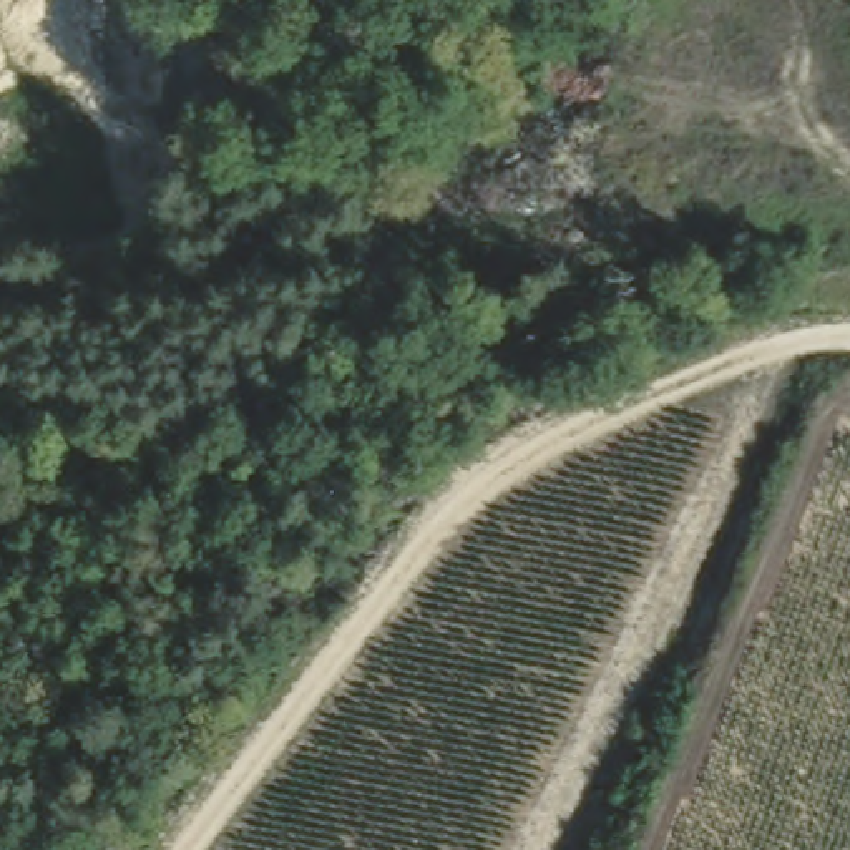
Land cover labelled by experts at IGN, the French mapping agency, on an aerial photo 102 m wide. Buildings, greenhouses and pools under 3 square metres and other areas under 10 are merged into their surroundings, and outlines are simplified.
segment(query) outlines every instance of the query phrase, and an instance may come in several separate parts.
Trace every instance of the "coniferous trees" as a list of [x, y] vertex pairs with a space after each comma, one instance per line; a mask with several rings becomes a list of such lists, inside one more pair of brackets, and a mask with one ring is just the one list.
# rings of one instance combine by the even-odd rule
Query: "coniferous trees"
[[179, 418], [186, 408], [203, 405], [209, 398], [222, 398], [232, 388], [232, 352], [279, 355], [279, 339], [292, 315], [312, 319], [312, 309], [319, 305], [322, 292], [342, 292], [362, 279], [362, 269], [342, 272], [339, 266], [332, 266], [332, 256], [325, 249], [329, 236], [369, 232], [379, 219], [372, 209], [362, 209], [362, 199], [352, 199], [352, 193], [329, 193], [319, 183], [299, 193], [292, 183], [249, 183], [232, 193], [216, 193], [203, 166], [189, 163], [186, 153], [166, 156], [153, 179], [143, 186], [136, 213], [120, 236], [110, 236], [90, 216], [73, 216], [63, 232], [37, 236], [43, 249], [33, 262], [13, 256], [0, 266], [0, 438], [37, 438], [43, 415], [56, 418], [60, 435], [83, 432], [86, 415], [96, 408], [106, 412], [103, 432], [116, 432], [116, 425], [126, 422], [139, 422], [146, 412], [156, 412], [159, 422]]
[[239, 638], [239, 631], [246, 631], [272, 604], [272, 598], [286, 598], [286, 591], [309, 594], [315, 588], [315, 561], [299, 554], [299, 561], [286, 568], [272, 568], [269, 578], [246, 578], [246, 591], [236, 598], [236, 611], [226, 628], [229, 638]]
[[96, 724], [80, 730], [80, 744], [90, 754], [103, 754], [116, 740], [123, 714], [106, 711]]
[[169, 558], [169, 545], [189, 541], [189, 531], [196, 525], [193, 491], [176, 495], [169, 488], [166, 495], [143, 498], [133, 508], [123, 508], [120, 515], [110, 515], [103, 525], [106, 541], [90, 551], [90, 568], [100, 568], [103, 574], [100, 581], [120, 588], [120, 598], [113, 604], [123, 614], [123, 628], [110, 634], [116, 638], [116, 651], [126, 657], [129, 671], [149, 671], [166, 664], [169, 638], [163, 631], [163, 621], [169, 621], [169, 604], [149, 598], [159, 588], [159, 581], [176, 581], [179, 568]]

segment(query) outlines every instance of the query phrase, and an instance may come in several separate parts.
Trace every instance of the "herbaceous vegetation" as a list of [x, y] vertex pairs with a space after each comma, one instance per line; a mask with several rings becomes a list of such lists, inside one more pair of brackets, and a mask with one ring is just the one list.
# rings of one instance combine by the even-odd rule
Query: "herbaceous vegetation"
[[684, 0], [684, 23], [671, 30], [647, 27], [641, 33], [628, 33], [628, 27], [618, 23], [601, 53], [581, 53], [574, 66], [561, 66], [551, 73], [551, 110], [525, 113], [518, 120], [518, 133], [501, 146], [468, 146], [462, 153], [455, 173], [432, 189], [428, 209], [438, 216], [438, 226], [445, 232], [438, 239], [438, 256], [458, 269], [468, 269], [475, 276], [475, 286], [488, 289], [498, 299], [515, 299], [521, 292], [525, 276], [541, 276], [554, 266], [568, 269], [568, 282], [548, 292], [528, 322], [508, 319], [505, 335], [485, 345], [491, 362], [498, 362], [505, 388], [518, 382], [541, 382], [545, 375], [568, 365], [594, 365], [601, 355], [614, 352], [618, 342], [611, 332], [604, 332], [604, 315], [614, 305], [628, 302], [647, 305], [654, 299], [651, 266], [687, 266], [694, 252], [707, 252], [721, 266], [724, 296], [747, 292], [750, 299], [767, 302], [774, 292], [774, 269], [784, 266], [787, 249], [804, 249], [807, 242], [820, 249], [823, 262], [813, 289], [774, 305], [774, 315], [767, 322], [777, 332], [827, 322], [850, 325], [850, 0]]
[[17, 60], [3, 63], [17, 83], [0, 93], [0, 209], [23, 213], [27, 232], [37, 236], [63, 232], [73, 216], [90, 216], [110, 236], [120, 236], [136, 213], [143, 186], [153, 179], [166, 156], [163, 133], [146, 123], [146, 116], [156, 110], [169, 110], [163, 103], [166, 50], [153, 46], [149, 33], [133, 30], [136, 13], [126, 7], [126, 0], [106, 0], [103, 27], [90, 33], [90, 66], [80, 73], [93, 83], [100, 110], [86, 113], [63, 86], [50, 83], [46, 76], [27, 73]]
[[574, 813], [581, 800], [598, 750], [614, 734], [614, 711], [624, 697], [624, 687], [641, 677], [644, 664], [657, 651], [664, 651], [671, 631], [684, 618], [697, 568], [711, 548], [714, 531], [724, 521], [724, 511], [737, 485], [737, 458], [744, 455], [744, 445], [754, 438], [757, 422], [764, 422], [774, 412], [777, 392], [810, 415], [813, 402], [823, 392], [830, 392], [833, 382], [843, 382], [850, 388], [850, 349], [807, 352], [790, 359], [787, 365], [750, 369], [681, 402], [687, 412], [707, 418], [707, 435], [701, 438], [701, 452], [684, 478], [681, 508], [667, 518], [667, 525], [657, 525], [638, 591], [628, 598], [624, 611], [608, 624], [608, 634], [581, 631], [581, 641], [598, 647], [598, 661], [591, 661], [584, 674], [588, 694], [578, 694], [571, 701], [571, 714], [558, 727], [554, 744], [535, 754], [538, 777], [515, 807], [515, 830], [505, 837], [498, 850], [551, 850], [561, 833], [561, 820]]

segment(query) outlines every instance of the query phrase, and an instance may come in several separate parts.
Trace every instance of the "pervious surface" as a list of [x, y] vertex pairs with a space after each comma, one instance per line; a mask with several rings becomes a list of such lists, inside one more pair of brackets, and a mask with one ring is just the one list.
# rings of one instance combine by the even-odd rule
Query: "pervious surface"
[[764, 332], [750, 342], [737, 342], [724, 352], [697, 359], [671, 375], [654, 379], [644, 392], [624, 392], [614, 412], [584, 408], [571, 415], [525, 422], [501, 442], [488, 445], [481, 462], [455, 468], [448, 488], [435, 495], [418, 515], [412, 515], [408, 531], [398, 541], [388, 541], [382, 548], [379, 561], [365, 571], [365, 581], [355, 591], [355, 604], [332, 628], [325, 647], [309, 661], [309, 667], [289, 687], [282, 704], [246, 740], [246, 747], [219, 777], [219, 784], [206, 794], [206, 800], [193, 810], [179, 810], [183, 827], [166, 850], [209, 850], [213, 840], [226, 830], [229, 817], [242, 807], [242, 800], [262, 784], [266, 770], [286, 754], [286, 744], [302, 730], [319, 701], [345, 677], [349, 664], [365, 647], [365, 641], [402, 611], [405, 601], [415, 598], [415, 581], [442, 558], [448, 538], [462, 535], [462, 528], [471, 518], [478, 518], [478, 511], [485, 511], [485, 505], [491, 505], [498, 495], [558, 465], [568, 452], [581, 452], [634, 422], [644, 422], [664, 405], [681, 402], [750, 369], [787, 365], [790, 359], [807, 352], [850, 349], [850, 325], [827, 322], [777, 332]]
[[27, 73], [46, 76], [50, 83], [63, 86], [86, 113], [100, 110], [93, 83], [80, 73], [90, 66], [90, 33], [103, 27], [106, 0], [0, 0], [0, 93], [17, 83], [3, 63], [17, 60]]

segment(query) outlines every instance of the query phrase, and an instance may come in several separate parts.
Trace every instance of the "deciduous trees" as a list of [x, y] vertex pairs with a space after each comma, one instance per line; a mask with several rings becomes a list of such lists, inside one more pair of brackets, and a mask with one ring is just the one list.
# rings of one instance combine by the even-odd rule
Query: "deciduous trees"
[[27, 232], [23, 213], [0, 209], [0, 266], [13, 256], [33, 262], [43, 249], [37, 236]]
[[[216, 193], [232, 193], [249, 183], [292, 183], [299, 193], [319, 183], [329, 193], [352, 193], [352, 199], [362, 199], [362, 209], [372, 209], [379, 219], [369, 232], [329, 236], [325, 249], [332, 256], [332, 266], [339, 266], [342, 272], [362, 269], [362, 279], [342, 292], [322, 292], [319, 305], [312, 309], [312, 319], [292, 315], [279, 339], [279, 355], [232, 352], [232, 388], [222, 398], [209, 398], [203, 405], [186, 408], [179, 418], [159, 422], [156, 412], [146, 412], [139, 422], [126, 422], [116, 425], [116, 432], [103, 432], [106, 412], [96, 408], [86, 415], [83, 432], [60, 435], [56, 418], [43, 415], [37, 438], [0, 438], [0, 850], [166, 850], [183, 827], [179, 810], [193, 810], [206, 800], [206, 794], [219, 784], [219, 777], [246, 747], [246, 740], [282, 704], [289, 687], [309, 667], [309, 661], [325, 647], [332, 628], [355, 604], [355, 591], [365, 581], [365, 571], [379, 561], [382, 548], [388, 541], [398, 541], [408, 531], [412, 515], [418, 515], [435, 495], [448, 488], [455, 468], [481, 462], [488, 445], [501, 442], [525, 422], [571, 415], [584, 408], [614, 412], [624, 392], [644, 392], [654, 379], [671, 375], [697, 359], [724, 352], [737, 342], [750, 342], [764, 332], [777, 332], [767, 322], [774, 315], [774, 305], [813, 289], [823, 262], [820, 249], [807, 242], [804, 249], [787, 249], [784, 266], [774, 269], [774, 292], [767, 302], [750, 299], [747, 292], [724, 296], [721, 266], [707, 252], [694, 252], [687, 266], [651, 266], [654, 299], [647, 305], [628, 302], [614, 305], [604, 315], [604, 332], [611, 332], [618, 342], [614, 352], [601, 355], [594, 365], [568, 365], [545, 375], [541, 382], [518, 382], [505, 388], [498, 362], [491, 362], [485, 345], [505, 335], [508, 319], [528, 322], [548, 292], [568, 282], [568, 269], [554, 266], [541, 276], [525, 276], [521, 292], [515, 299], [498, 299], [488, 289], [475, 286], [475, 276], [468, 269], [458, 269], [438, 256], [438, 239], [445, 232], [438, 226], [438, 216], [428, 209], [432, 189], [455, 173], [462, 153], [468, 146], [501, 146], [518, 133], [518, 120], [525, 113], [551, 110], [551, 73], [561, 66], [574, 66], [581, 53], [601, 53], [618, 23], [628, 27], [628, 33], [641, 33], [647, 27], [671, 30], [684, 23], [684, 0], [126, 0], [126, 7], [136, 13], [133, 30], [149, 33], [153, 46], [166, 50], [163, 103], [169, 110], [156, 110], [146, 116], [146, 123], [163, 133], [166, 156], [186, 153], [189, 163], [203, 166]], [[123, 628], [123, 614], [113, 604], [120, 598], [120, 588], [100, 581], [103, 574], [100, 568], [90, 568], [90, 551], [106, 541], [103, 525], [110, 515], [120, 515], [123, 508], [133, 508], [143, 498], [166, 495], [169, 488], [176, 495], [193, 491], [196, 525], [189, 531], [189, 541], [169, 545], [169, 558], [179, 568], [176, 581], [159, 581], [159, 588], [149, 598], [169, 604], [169, 621], [163, 621], [163, 631], [169, 638], [166, 664], [149, 671], [129, 671], [126, 657], [116, 651], [116, 638], [110, 634]], [[272, 568], [286, 568], [299, 561], [299, 554], [315, 561], [315, 588], [309, 594], [286, 591], [286, 598], [272, 598], [272, 604], [246, 631], [239, 631], [239, 638], [229, 638], [226, 628], [236, 611], [236, 598], [246, 591], [246, 578], [269, 578]], [[103, 754], [90, 754], [80, 744], [80, 730], [96, 724], [106, 711], [123, 714], [116, 740]]]

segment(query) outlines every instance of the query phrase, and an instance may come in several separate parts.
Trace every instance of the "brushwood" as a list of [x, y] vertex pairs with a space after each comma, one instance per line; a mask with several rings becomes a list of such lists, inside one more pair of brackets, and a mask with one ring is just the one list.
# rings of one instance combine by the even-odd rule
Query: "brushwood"
[[737, 458], [737, 485], [724, 511], [724, 521], [714, 531], [711, 548], [697, 568], [684, 618], [671, 631], [664, 651], [657, 651], [644, 664], [641, 677], [624, 687], [624, 697], [614, 711], [614, 734], [598, 750], [581, 800], [574, 813], [561, 820], [561, 833], [551, 850], [631, 850], [647, 830], [654, 780], [661, 780], [671, 770], [674, 747], [684, 727], [684, 707], [694, 701], [694, 681], [704, 674], [704, 661], [714, 647], [714, 638], [724, 628], [727, 614], [737, 608], [737, 598], [747, 584], [740, 561], [744, 554], [754, 558], [760, 551], [767, 521], [794, 471], [810, 415], [777, 392], [774, 412], [764, 422], [757, 422], [754, 438], [744, 445], [744, 455]]

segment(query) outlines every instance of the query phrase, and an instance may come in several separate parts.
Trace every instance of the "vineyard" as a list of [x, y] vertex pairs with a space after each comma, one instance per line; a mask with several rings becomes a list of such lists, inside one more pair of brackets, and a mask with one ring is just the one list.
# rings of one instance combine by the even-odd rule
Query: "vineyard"
[[242, 800], [242, 807], [229, 817], [226, 830], [213, 840], [209, 850], [498, 850], [505, 837], [515, 830], [515, 807], [538, 777], [535, 754], [554, 744], [558, 727], [571, 714], [571, 701], [578, 694], [588, 694], [584, 674], [591, 661], [598, 661], [598, 647], [581, 641], [581, 631], [608, 634], [608, 624], [624, 611], [628, 598], [638, 591], [657, 525], [667, 525], [667, 518], [681, 508], [684, 478], [701, 452], [701, 438], [707, 435], [707, 418], [687, 412], [681, 402], [664, 405], [644, 422], [634, 422], [581, 452], [568, 452], [558, 465], [498, 495], [491, 505], [485, 505], [485, 511], [478, 511], [478, 518], [471, 518], [462, 528], [462, 535], [448, 538], [442, 558], [415, 581], [415, 598], [405, 601], [402, 611], [365, 641], [365, 647], [349, 664], [345, 677], [319, 701], [302, 730], [286, 744], [286, 754], [266, 770], [262, 784]]
[[810, 415], [794, 471], [767, 521], [760, 551], [754, 558], [744, 554], [740, 561], [747, 584], [737, 598], [737, 608], [727, 614], [724, 628], [714, 638], [714, 647], [704, 661], [704, 674], [694, 681], [694, 701], [684, 707], [684, 727], [674, 747], [671, 770], [661, 780], [654, 780], [647, 830], [631, 850], [850, 850], [850, 388], [843, 382], [833, 382], [830, 392], [823, 392], [813, 402]]

